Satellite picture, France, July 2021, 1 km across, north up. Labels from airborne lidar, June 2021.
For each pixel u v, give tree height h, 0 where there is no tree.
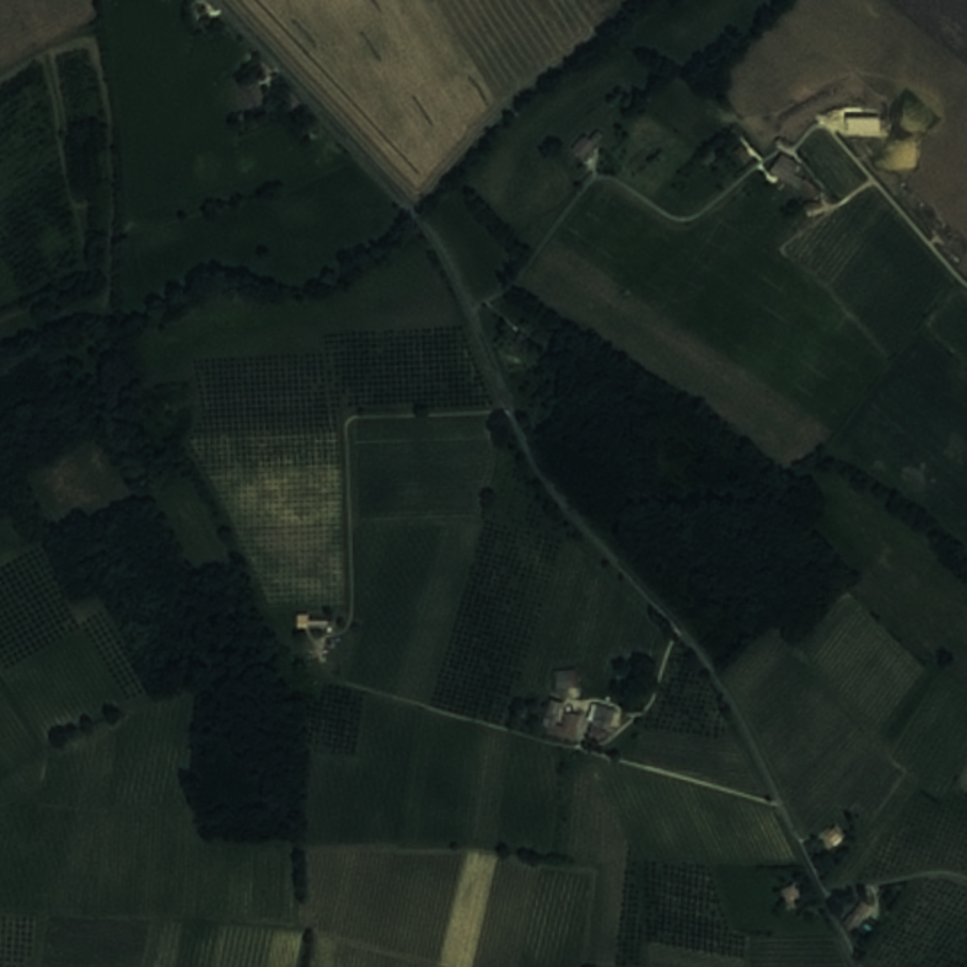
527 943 0
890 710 0
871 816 0
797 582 24
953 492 0
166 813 0
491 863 0
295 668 14
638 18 19
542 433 15
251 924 0
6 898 0
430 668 0
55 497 0
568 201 0
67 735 16
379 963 0
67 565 20
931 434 0
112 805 0
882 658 0
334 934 0
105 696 0
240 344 0
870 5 0
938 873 0
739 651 17
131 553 21
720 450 14
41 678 0
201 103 0
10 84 6
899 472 0
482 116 0
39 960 0
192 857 0
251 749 24
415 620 0
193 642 23
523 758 0
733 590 21
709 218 0
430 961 0
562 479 16
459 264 0
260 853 0
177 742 0
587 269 0
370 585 0
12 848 0
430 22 0
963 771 0
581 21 0
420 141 0
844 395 0
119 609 19
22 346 18
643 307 0
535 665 0
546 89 15
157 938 0
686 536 25
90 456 0
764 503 27
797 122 0
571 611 0
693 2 0
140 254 0
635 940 6
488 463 0
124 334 16
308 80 0
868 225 0
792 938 0
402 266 0
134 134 0
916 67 0
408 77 0
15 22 0
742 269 0
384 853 0
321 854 0
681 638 13
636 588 0
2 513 23
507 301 11
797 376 0
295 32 0
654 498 25
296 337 0
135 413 23
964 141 0
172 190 0
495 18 0
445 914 0
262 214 0
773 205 0
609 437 24
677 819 0
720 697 11
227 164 0
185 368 0
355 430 0
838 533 0
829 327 0
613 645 0
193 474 7
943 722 0
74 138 12
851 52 0
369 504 0
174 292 23
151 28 0
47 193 6
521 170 0
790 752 0
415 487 0
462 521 0
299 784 21
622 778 0
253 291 25
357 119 0
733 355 0
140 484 21
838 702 0
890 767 0
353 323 0
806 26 0
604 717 0
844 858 8
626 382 14
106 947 0
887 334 0
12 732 0
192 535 0
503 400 0
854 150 0
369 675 0
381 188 0
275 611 0
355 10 0
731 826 0
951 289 0
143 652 14
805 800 0
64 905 0
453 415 0
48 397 20
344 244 0
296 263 0
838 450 0
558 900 0
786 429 0
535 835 0
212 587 21
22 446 20
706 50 0
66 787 0
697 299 0
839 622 0
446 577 0
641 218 0
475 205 20
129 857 0
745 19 0
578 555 0
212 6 0
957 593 0
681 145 0
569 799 0
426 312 0
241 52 0
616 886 0
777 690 0
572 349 19
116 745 0
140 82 0
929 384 0
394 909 0
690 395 9
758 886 0
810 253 0
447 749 0
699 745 0
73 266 6
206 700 20
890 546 0
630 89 0
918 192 0
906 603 0
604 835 0
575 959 0
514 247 15
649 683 22
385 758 0
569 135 0
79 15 0
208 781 9
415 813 0
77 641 0
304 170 0
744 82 0
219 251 0
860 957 15
